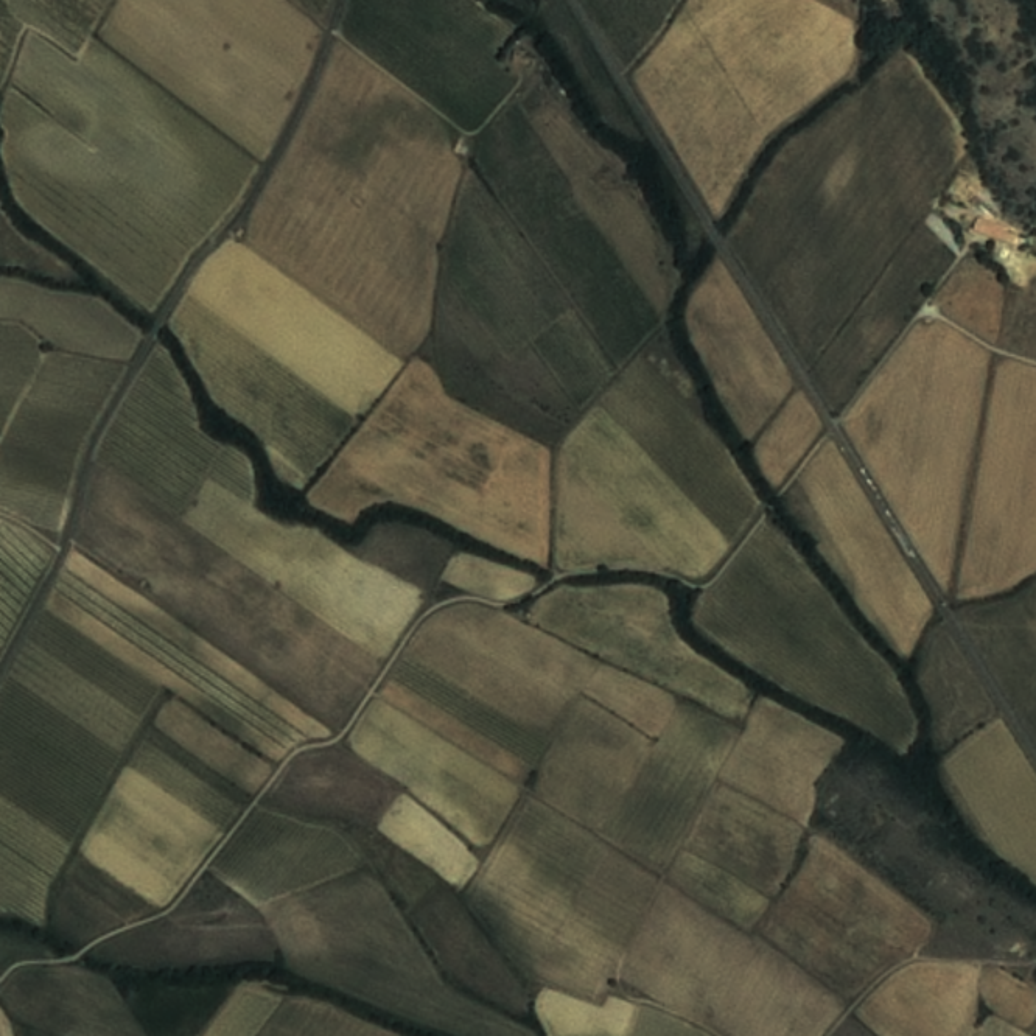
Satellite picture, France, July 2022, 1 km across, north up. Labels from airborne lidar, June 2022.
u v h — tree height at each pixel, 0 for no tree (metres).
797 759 0
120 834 0
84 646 0
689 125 0
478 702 0
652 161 17
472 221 0
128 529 0
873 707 0
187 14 0
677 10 0
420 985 0
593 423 0
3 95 0
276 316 0
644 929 0
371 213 0
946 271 0
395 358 0
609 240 0
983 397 0
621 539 0
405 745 0
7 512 0
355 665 0
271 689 0
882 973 0
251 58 0
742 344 0
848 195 0
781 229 0
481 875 0
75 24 0
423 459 0
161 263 0
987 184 9
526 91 0
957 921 0
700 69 0
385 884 0
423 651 0
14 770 0
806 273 0
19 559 0
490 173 0
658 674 0
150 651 0
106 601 0
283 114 0
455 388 0
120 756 0
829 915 0
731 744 0
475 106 0
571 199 0
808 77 0
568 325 0
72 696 0
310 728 0
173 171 0
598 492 0
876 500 0
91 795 0
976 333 0
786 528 6
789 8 0
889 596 0
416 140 0
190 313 0
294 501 8
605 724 0
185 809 0
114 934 0
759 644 0
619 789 0
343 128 0
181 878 0
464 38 0
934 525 0
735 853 0
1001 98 0
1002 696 0
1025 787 0
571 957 0
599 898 0
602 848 0
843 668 0
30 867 0
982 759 0
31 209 0
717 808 0
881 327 0
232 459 0
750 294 0
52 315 0
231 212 0
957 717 0
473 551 9
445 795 0
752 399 0
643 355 0
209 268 0
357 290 0
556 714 0
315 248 0
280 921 0
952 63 8
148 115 0
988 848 6
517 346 0
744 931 0
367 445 0
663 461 0
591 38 0
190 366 11
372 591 0
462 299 0
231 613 0
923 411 0
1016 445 0
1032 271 0
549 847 0
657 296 0
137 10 0
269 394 0
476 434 0
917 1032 0
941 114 0
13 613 0
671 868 0
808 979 0
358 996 0
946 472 0
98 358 0
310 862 0
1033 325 0
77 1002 0
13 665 0
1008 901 0
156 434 0
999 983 0
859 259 0
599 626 0
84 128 0
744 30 0
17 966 0
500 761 0
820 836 0
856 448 0
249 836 0
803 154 0
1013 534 0
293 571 0
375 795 0
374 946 0
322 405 0
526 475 0
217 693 0
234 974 9
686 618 9
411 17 0
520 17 10
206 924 0
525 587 0
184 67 0
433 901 0
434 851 0
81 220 0
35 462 0
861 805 0
